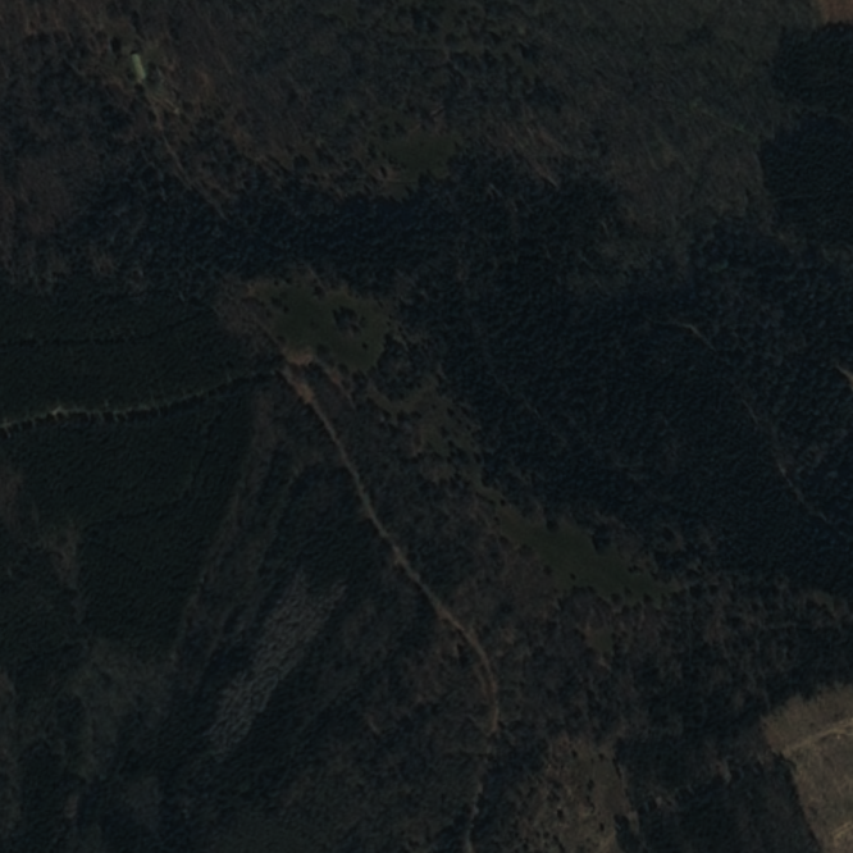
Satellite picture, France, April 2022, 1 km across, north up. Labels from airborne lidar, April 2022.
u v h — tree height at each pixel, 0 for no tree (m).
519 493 14
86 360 20
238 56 31
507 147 19
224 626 26
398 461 13
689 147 26
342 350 0
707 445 18
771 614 12
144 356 17
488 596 11
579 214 18
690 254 21
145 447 17
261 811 21
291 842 19
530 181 23
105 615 24
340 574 31
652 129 19
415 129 0
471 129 17
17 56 21
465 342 22
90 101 17
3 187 15
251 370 13
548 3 6
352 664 21
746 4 24
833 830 0
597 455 18
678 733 19
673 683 14
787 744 0
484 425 13
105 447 19
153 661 21
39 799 26
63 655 22
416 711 18
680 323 12
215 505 24
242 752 24
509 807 14
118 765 29
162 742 21
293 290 0
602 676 16
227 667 30
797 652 16
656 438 19
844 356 25
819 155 28
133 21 11
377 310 0
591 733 19
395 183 0
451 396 14
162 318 18
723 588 7
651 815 30
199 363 19
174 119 12
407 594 23
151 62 0
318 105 29
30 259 16
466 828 14
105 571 23
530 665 11
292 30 21
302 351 0
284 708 25
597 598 9
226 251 15
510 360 18
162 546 21
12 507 17
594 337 21
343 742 23
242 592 15
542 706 8
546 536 0
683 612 13
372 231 16
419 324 18
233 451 21
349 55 17
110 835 33
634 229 18
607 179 23
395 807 18
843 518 32
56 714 23
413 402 0
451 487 10
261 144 17
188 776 21
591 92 23
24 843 25
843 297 30
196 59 25
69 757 15
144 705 28
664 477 17
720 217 22
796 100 24
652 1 21
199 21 30
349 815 18
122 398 19
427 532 15
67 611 20
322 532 28
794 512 21
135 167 21
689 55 21
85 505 22
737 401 16
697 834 29
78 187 22
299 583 29
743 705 16
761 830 28
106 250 12
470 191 14
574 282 18
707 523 15
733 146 21
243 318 20
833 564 21
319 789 19
